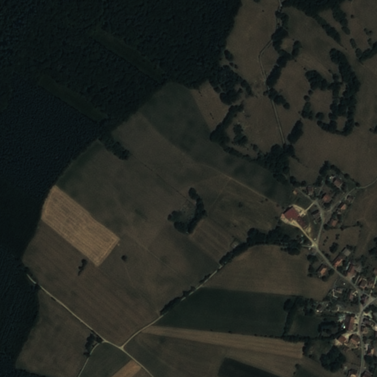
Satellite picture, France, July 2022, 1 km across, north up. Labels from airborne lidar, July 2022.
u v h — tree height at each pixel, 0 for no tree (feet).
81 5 85
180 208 0
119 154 30
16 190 41
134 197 0
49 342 0
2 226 44
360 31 0
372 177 0
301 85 0
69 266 0
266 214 0
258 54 0
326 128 64
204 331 0
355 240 0
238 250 60
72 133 85
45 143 72
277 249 0
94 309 0
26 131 71
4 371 72
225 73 60
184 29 59
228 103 63
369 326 31
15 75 68
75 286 0
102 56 68
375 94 0
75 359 0
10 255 60
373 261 0
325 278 41
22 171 75
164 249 0
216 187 0
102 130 63
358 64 0
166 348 0
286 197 0
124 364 0
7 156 63
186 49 67
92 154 0
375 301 0
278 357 0
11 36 38
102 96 75
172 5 64
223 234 0
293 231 0
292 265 0
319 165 0
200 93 21
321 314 26
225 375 0
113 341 0
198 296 0
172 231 0
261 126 0
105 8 54
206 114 0
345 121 0
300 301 25
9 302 41
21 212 41
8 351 26
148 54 74
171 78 61
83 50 51
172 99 0
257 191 0
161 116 0
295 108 0
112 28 73
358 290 0
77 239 0
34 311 37
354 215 0
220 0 66
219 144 28
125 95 62
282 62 66
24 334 50
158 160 0
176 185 0
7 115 73
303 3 62
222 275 0
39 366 0
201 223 0
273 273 0
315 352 0
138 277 0
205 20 75
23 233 47
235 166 0
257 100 0
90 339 47
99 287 0
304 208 0
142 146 0
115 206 0
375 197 0
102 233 0
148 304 0
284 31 60
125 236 0
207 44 45
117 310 0
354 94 28
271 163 38
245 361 0
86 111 0
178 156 0
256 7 0
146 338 0
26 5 59
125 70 68
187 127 0
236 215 0
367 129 0
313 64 0
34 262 0
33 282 0
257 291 0
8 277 63
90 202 0
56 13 61
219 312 0
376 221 0
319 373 0
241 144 35
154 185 0
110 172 0
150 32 69
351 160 0
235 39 0
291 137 52
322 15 0
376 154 0
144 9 68
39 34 48
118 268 0
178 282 0
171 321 0
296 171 0
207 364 0
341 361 84
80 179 0
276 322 0
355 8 0
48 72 68
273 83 58
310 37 0
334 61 30
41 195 69
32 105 76
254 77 0
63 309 0
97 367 0
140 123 0
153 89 63
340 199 0
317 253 0
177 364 0
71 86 68
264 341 0
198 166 0
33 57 70
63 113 73
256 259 0
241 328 0
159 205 0
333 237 0
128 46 67
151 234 0
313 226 0
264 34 0
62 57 74
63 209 0
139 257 0
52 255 0
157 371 0
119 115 74
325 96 0
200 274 0
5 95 89
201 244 0
